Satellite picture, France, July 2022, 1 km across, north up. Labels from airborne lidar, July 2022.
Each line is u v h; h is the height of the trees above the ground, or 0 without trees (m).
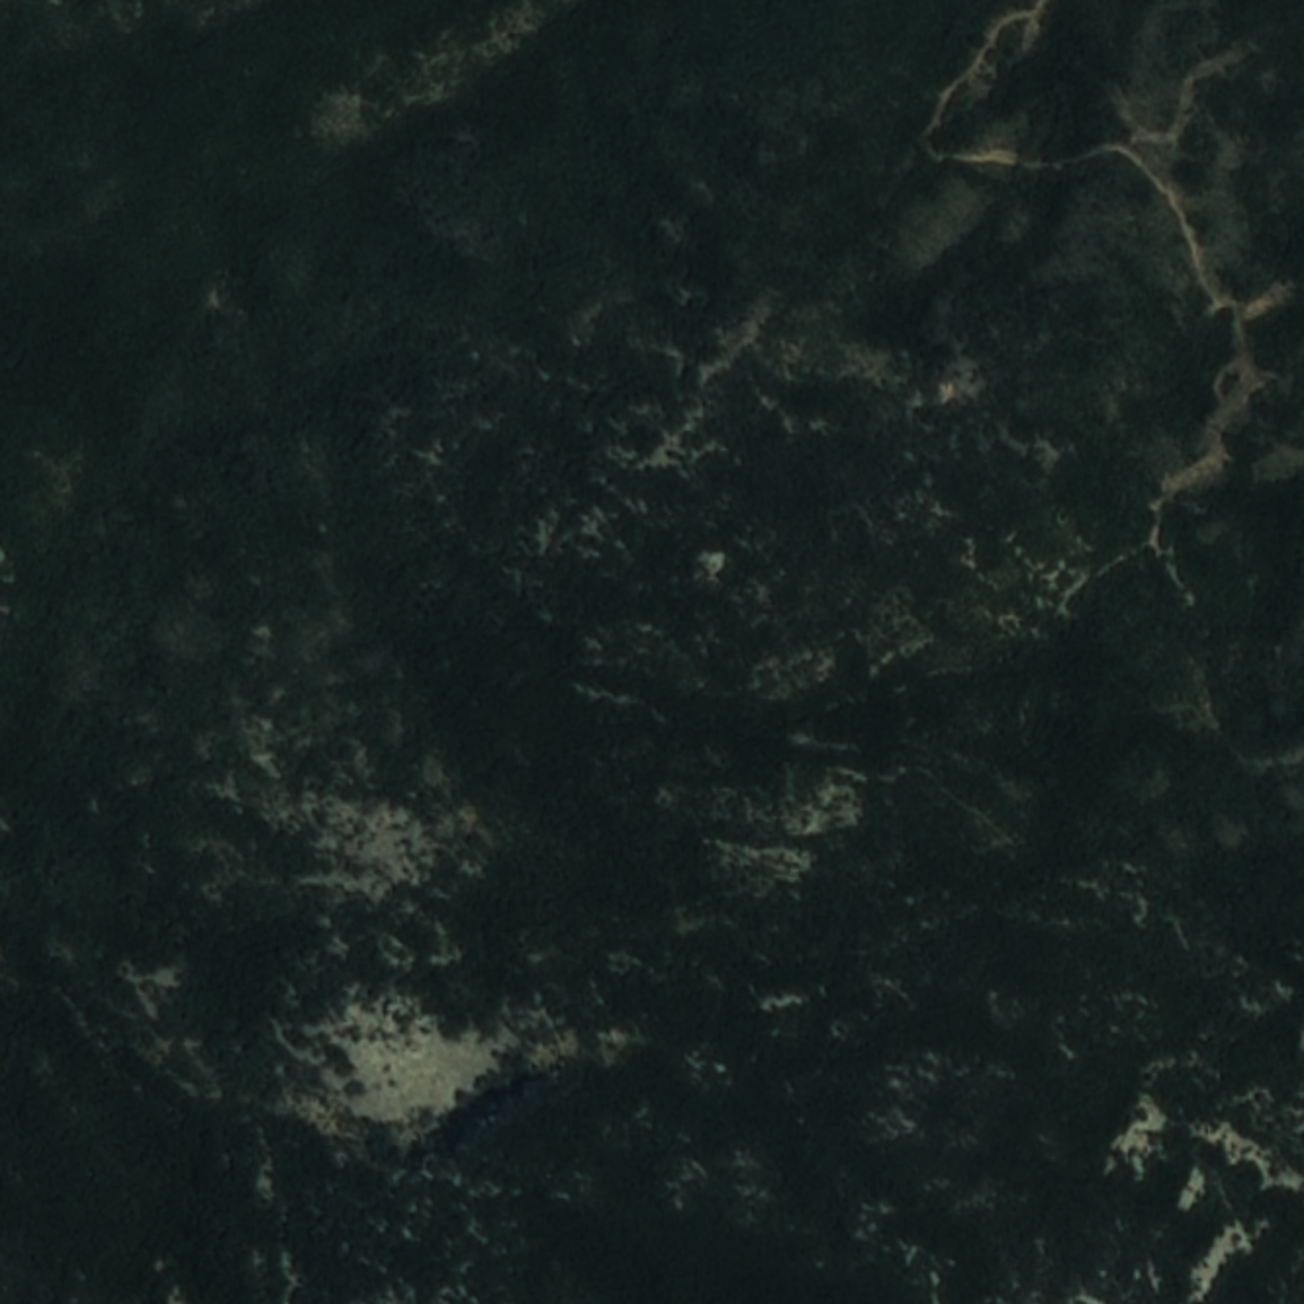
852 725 6
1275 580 8
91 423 10
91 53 6
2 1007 8
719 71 5
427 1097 0
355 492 8
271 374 6
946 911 6
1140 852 9
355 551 6
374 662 7
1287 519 11
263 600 9
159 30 9
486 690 6
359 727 7
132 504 7
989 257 8
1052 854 9
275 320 8
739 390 6
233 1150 7
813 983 8
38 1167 9
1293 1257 5
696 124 6
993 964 7
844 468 7
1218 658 8
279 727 6
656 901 7
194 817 6
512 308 6
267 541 7
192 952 12
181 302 12
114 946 8
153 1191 10
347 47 6
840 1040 7
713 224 6
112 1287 9
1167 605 5
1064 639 9
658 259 6
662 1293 8
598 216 6
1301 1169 6
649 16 8
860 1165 6
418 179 7
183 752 8
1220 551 8
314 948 6
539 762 6
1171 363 6
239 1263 8
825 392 6
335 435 6
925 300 9
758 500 6
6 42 6
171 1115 7
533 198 7
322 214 7
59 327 8
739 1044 7
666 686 5
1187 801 6
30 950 10
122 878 8
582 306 6
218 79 9
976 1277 6
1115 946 7
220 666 7
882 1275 7
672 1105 7
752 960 7
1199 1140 7
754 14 7
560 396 7
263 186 8
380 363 9
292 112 8
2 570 5
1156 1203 9
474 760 5
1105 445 8
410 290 6
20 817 12
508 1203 6
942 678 9
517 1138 7
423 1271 7
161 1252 10
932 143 6
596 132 5
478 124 9
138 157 6
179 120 8
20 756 12
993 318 7
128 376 8
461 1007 5
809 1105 7
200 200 9
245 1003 11
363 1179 7
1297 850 6
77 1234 7
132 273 6
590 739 6
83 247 9
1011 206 6
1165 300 7
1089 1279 6
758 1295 9
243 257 10
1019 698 6
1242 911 8
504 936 7
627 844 6
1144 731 8
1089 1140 7
